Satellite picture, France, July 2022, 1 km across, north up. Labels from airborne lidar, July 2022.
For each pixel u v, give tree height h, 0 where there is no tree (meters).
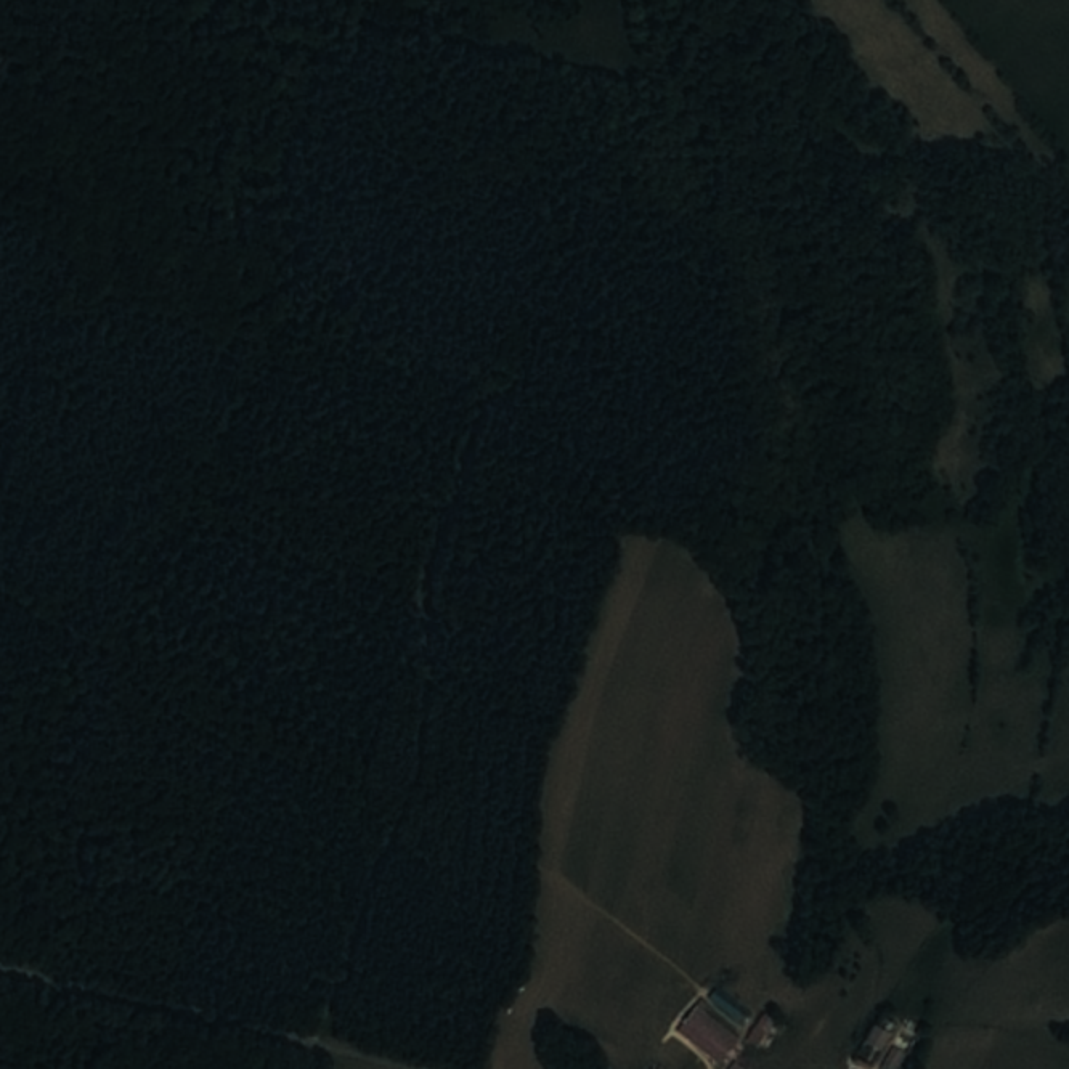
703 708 0
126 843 17
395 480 19
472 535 23
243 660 15
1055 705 10
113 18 20
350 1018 20
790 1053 0
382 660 17
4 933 25
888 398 24
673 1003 0
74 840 20
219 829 22
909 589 0
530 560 25
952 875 21
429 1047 18
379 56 26
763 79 30
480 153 27
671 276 29
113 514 24
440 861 16
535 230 31
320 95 27
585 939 0
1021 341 8
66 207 26
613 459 17
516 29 0
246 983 16
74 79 25
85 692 30
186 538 19
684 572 0
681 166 19
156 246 24
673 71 29
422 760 22
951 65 12
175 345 34
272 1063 21
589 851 0
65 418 34
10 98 22
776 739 26
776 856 0
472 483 20
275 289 19
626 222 24
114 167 24
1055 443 24
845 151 26
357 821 21
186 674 22
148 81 24
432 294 28
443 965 23
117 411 35
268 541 21
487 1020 17
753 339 19
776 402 19
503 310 31
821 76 29
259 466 25
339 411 23
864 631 15
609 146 21
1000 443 17
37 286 24
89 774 19
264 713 14
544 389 27
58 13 20
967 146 18
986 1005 0
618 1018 0
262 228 27
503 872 24
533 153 24
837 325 28
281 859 21
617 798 0
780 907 0
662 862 0
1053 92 0
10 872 21
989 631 0
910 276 22
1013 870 25
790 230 29
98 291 26
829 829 29
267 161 22
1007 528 0
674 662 0
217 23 21
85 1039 10
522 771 22
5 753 24
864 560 0
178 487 20
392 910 20
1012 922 25
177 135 23
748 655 15
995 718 0
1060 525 36
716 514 24
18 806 25
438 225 28
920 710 0
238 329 24
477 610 24
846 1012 0
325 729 14
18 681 25
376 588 19
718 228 24
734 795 0
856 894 27
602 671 0
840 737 21
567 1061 23
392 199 22
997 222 19
